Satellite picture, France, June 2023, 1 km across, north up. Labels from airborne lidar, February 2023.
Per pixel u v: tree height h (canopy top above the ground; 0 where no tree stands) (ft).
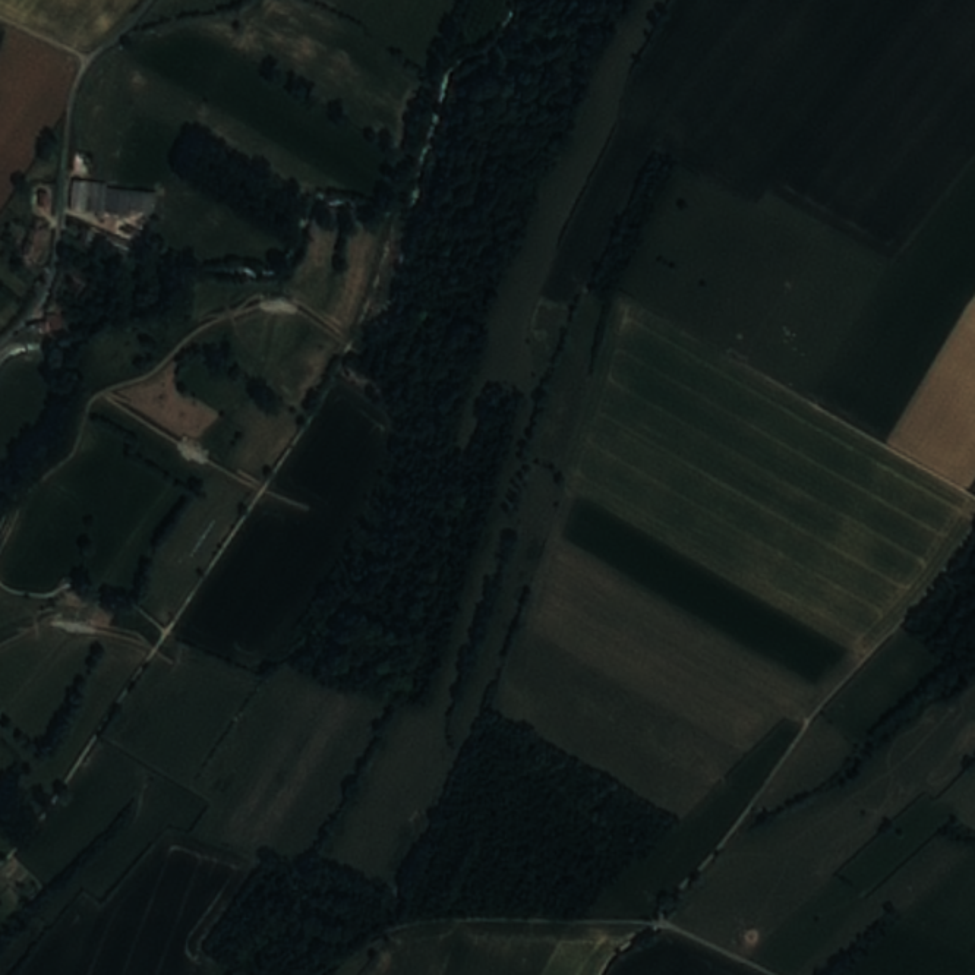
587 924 0
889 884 0
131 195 0
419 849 44
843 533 0
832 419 0
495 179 66
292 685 0
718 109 0
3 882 0
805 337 0
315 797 0
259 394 103
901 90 0
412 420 63
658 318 0
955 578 39
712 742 0
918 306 0
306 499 0
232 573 0
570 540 0
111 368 0
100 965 0
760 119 0
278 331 0
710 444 0
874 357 0
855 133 0
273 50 0
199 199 0
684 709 0
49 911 0
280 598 0
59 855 0
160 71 0
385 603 26
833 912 0
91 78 0
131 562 0
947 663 60
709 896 0
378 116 0
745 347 0
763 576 0
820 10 0
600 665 0
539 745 40
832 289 0
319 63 0
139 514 0
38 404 0
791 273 0
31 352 0
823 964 0
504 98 77
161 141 0
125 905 0
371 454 0
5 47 0
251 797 0
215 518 0
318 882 76
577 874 58
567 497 0
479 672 0
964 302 0
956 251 0
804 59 0
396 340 80
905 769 0
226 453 0
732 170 0
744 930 0
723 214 0
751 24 0
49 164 0
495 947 0
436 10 0
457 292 60
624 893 0
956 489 0
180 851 0
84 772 0
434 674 22
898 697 0
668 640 0
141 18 0
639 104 0
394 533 58
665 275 0
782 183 0
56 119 0
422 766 0
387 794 0
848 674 0
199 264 88
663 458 0
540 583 0
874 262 0
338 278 0
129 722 0
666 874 0
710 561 0
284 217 119
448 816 42
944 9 0
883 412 0
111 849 0
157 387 0
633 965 0
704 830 0
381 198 59
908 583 0
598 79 0
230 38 0
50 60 0
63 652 0
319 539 0
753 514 0
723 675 0
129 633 0
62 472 0
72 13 0
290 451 0
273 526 0
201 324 0
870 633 0
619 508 0
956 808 0
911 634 33
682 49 0
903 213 0
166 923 0
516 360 0
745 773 0
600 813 50
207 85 0
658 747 0
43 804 106
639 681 0
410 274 64
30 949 18
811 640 0
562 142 65
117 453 0
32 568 0
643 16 0
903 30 0
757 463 0
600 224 0
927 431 0
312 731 0
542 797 49
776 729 0
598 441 0
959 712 0
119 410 0
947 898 0
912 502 0
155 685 0
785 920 0
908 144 0
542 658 0
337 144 0
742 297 0
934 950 0
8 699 0
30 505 0
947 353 0
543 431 0
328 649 66
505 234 65
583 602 0
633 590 0
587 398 0
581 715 0
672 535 0
